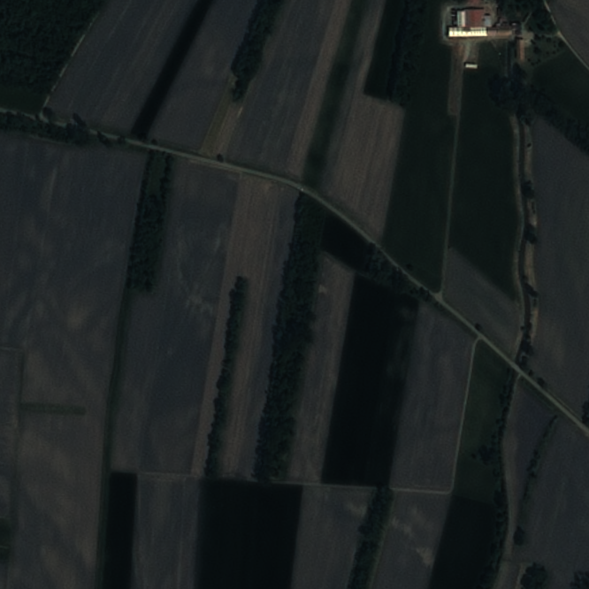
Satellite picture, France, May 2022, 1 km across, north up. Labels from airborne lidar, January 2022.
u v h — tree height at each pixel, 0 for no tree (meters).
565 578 0
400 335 0
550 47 0
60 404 0
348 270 0
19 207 0
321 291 0
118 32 0
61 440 0
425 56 0
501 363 0
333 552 0
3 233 0
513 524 0
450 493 0
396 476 0
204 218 0
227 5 0
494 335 0
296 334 31
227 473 0
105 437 0
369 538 20
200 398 0
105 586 0
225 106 0
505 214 0
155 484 0
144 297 0
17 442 0
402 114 0
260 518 0
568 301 0
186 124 0
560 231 0
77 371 0
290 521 0
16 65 22
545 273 0
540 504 0
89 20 15
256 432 0
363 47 0
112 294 0
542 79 0
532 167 0
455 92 0
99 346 0
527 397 0
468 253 0
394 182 0
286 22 0
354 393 0
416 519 0
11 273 0
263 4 20
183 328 0
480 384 0
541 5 9
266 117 0
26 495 0
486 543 0
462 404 0
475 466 0
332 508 0
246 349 0
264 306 0
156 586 0
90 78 0
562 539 0
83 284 0
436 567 0
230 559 0
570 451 0
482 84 0
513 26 0
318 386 0
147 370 0
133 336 0
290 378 20
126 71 0
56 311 0
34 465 0
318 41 0
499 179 0
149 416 0
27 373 0
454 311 0
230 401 0
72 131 25
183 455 0
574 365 0
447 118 0
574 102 0
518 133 0
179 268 0
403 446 0
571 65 0
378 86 0
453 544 0
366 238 0
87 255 0
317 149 0
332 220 0
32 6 19
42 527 0
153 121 0
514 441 0
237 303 17
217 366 0
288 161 0
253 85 0
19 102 0
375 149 0
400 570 0
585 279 0
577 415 0
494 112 0
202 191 0
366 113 0
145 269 14
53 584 0
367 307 0
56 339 0
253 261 0
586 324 0
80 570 0
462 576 0
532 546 0
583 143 34
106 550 0
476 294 0
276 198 0
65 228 0
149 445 0
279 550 0
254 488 0
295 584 0
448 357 0
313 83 0
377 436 0
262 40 16
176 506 0
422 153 0
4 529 0
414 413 0
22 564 0
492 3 0
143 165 0
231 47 0
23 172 0
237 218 0
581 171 0
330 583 0
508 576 0
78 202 0
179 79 0
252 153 0
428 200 0
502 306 0
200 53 0
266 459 28
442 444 0
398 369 0
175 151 0
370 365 0
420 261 0
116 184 0
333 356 0
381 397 0
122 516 0
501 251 0
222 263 0
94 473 0
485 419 0
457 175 0
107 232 0
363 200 0
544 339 0
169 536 0
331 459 0
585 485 0
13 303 0
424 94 0
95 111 0
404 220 0
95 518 0
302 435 0
